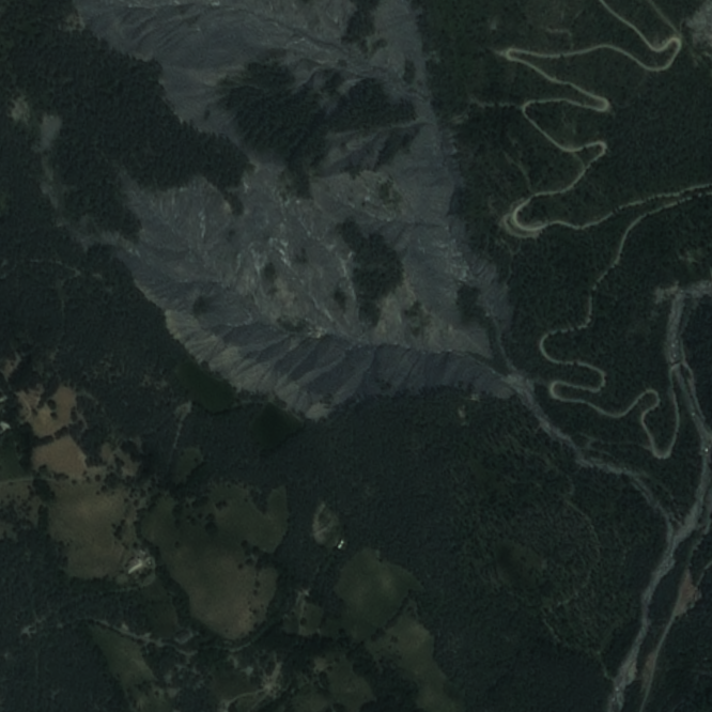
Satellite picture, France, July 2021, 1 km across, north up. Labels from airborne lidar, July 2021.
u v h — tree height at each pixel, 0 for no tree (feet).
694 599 0
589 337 44
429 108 0
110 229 25
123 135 28
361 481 42
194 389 0
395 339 0
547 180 22
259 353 0
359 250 38
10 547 24
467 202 21
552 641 39
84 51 45
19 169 37
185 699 40
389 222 0
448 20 19
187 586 0
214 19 0
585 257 23
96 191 44
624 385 41
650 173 26
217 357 0
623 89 23
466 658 30
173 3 0
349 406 30
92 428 36
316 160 30
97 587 37
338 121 35
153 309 36
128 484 32
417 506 44
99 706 40
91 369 23
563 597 32
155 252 0
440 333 0
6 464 0
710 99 30
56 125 0
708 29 0
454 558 48
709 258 25
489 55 37
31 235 46
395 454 44
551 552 31
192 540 0
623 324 42
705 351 36
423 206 0
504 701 31
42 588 46
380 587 0
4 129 37
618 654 24
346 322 0
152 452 53
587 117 24
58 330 39
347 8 0
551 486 25
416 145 0
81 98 55
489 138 47
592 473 41
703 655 21
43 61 40
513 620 40
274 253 0
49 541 44
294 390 0
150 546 30
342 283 0
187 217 0
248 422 45
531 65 0
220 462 42
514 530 36
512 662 40
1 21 26
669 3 24
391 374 0
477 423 33
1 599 40
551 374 25
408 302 0
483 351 0
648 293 35
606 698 48
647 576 39
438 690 0
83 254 35
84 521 0
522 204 0
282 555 38
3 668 25
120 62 36
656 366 24
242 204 30
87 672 46
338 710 30
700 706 24
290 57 0
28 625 33
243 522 0
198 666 19
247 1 0
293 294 0
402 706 45
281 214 0
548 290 22
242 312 0
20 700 41
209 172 43
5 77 27
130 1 0
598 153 20
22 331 36
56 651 41
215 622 0
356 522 32
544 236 31
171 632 0
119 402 27
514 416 50
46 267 35
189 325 0
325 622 34
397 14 0
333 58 0
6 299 47
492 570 31
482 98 18
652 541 25
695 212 23
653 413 26
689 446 44
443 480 46
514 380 0
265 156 0
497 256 28
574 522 40
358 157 0
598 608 42
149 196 0
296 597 33
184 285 0
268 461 51
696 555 31
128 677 0
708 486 0
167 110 34
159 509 0
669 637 28
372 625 0
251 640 21
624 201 21
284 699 31
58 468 0
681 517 31
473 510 44
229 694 0
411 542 38
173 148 55
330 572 38
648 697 0
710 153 31
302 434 36
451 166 0
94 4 0
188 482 27
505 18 22
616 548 26
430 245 0
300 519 30
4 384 43
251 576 0
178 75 0
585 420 32
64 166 32
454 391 38
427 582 19
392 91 0
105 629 27
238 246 0
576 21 20
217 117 0
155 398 23
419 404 28
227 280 0
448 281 0
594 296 40
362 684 0
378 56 0
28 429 41
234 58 0
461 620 32
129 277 33
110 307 44
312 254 0
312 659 30
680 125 29
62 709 36
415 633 0
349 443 25
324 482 36
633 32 26
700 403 30
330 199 0
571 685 30
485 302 0
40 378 34
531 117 50
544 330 32
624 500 31
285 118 71
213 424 40
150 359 36
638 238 43
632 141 30
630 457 52
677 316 0
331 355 0
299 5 0
